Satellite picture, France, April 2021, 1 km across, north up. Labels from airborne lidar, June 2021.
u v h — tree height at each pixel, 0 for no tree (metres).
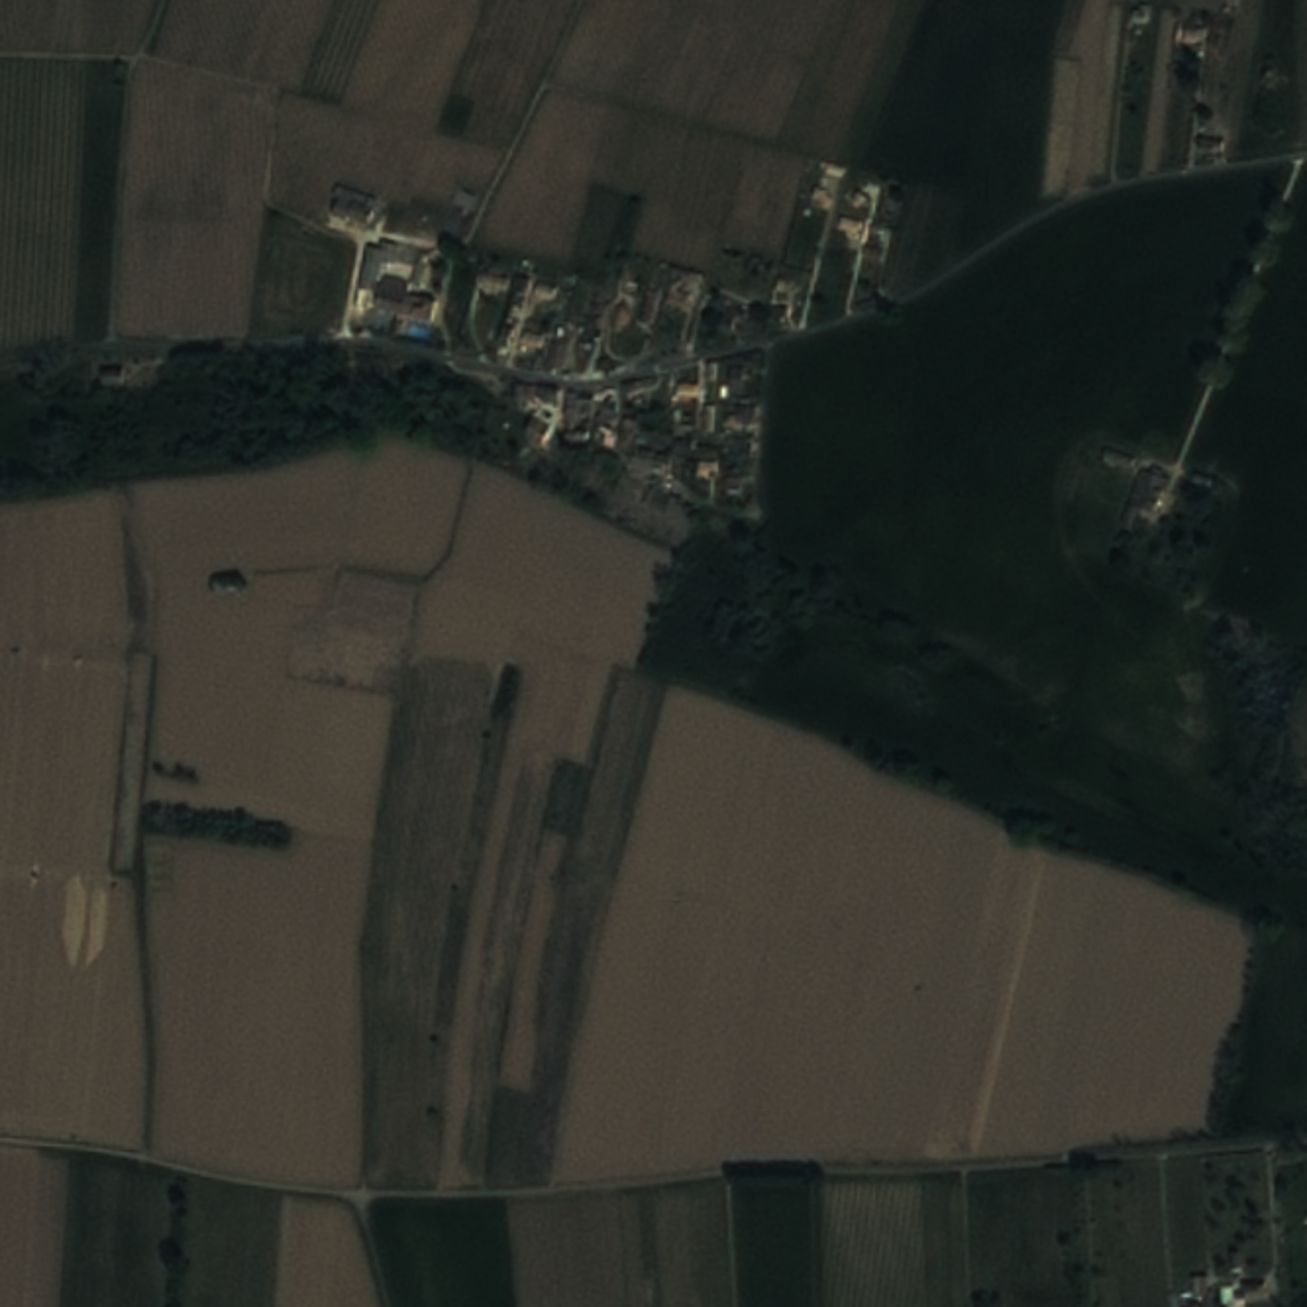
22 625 0
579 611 0
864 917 0
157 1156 0
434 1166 0
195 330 0
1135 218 0
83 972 0
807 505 0
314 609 0
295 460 14
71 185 0
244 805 0
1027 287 0
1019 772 0
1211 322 0
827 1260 0
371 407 24
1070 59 0
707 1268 0
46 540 0
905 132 0
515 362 0
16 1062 0
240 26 0
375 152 0
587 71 0
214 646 0
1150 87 0
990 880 0
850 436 0
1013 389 0
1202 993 0
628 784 0
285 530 0
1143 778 0
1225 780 10
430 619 0
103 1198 0
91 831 0
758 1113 0
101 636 0
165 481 0
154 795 0
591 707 0
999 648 0
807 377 0
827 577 14
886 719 0
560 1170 0
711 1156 0
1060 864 0
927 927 0
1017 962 0
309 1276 0
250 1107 0
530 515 0
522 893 0
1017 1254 0
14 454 0
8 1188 0
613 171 0
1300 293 0
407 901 0
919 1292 0
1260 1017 0
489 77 0
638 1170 0
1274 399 0
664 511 0
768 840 0
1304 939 0
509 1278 0
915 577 0
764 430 0
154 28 0
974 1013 0
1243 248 0
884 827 0
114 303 0
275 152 0
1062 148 0
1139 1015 0
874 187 0
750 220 0
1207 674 0
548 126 0
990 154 0
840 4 0
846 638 0
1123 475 0
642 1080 0
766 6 0
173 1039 0
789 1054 0
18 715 0
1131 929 0
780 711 0
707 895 0
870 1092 0
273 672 0
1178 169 0
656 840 0
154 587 0
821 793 0
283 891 0
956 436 0
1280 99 0
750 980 0
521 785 0
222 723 0
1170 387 0
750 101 0
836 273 0
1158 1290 0
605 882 0
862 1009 0
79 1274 0
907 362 0
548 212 0
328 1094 0
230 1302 0
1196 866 0
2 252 0
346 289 0
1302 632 0
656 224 0
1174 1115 0
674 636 0
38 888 0
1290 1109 0
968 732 0
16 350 0
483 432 7
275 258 0
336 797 0
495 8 0
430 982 0
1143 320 0
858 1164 0
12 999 0
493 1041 0
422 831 0
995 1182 0
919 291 0
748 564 16
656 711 0
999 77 0
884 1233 0
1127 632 0
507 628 0
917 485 0
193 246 0
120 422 8
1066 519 0
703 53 0
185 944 0
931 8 0
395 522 0
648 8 0
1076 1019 0
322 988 0
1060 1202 0
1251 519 0
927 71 0
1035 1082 0
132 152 0
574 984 0
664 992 0
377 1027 0
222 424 9
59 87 0
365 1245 0
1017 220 0
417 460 0
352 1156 0
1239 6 0
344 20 0
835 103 0
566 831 0
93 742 0
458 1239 0
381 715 0
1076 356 0
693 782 0
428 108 0
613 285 0
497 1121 0
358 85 0
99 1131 0
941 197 0
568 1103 0
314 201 0
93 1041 0
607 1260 0
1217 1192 10
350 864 0
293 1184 0
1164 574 10
